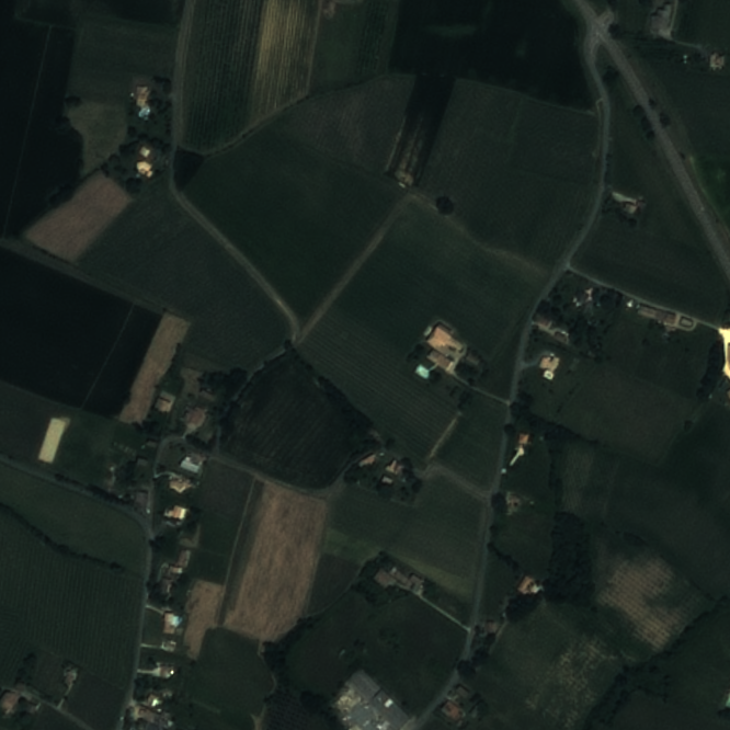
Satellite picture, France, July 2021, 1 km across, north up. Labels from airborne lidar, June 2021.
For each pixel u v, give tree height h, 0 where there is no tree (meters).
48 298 0
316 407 0
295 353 9
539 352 0
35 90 0
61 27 0
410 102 0
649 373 0
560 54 0
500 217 0
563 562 10
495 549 8
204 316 0
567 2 0
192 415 0
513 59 0
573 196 0
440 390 0
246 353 0
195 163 13
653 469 0
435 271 0
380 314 0
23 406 0
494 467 0
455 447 0
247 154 0
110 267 0
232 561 0
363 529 0
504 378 0
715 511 0
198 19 0
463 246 0
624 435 0
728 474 0
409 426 0
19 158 0
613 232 0
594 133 0
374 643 0
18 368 0
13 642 0
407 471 10
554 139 0
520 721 0
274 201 0
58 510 0
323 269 0
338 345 0
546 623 0
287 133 0
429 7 0
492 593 0
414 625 0
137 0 0
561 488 8
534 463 0
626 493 0
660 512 0
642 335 0
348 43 0
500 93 0
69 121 14
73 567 0
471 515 0
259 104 0
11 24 0
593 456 0
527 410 11
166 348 0
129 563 0
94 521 0
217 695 0
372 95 0
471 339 0
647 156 0
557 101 0
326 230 0
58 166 0
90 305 0
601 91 0
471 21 0
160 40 0
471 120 0
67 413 0
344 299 0
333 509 0
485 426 0
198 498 0
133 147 7
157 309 0
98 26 0
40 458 0
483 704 10
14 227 0
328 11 0
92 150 0
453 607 0
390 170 0
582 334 13
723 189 0
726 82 0
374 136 0
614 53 0
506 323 0
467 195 0
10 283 0
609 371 0
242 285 0
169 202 0
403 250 0
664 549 0
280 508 0
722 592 0
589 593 14
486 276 0
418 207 0
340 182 0
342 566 0
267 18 0
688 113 0
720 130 0
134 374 0
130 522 0
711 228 0
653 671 13
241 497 0
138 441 0
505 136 0
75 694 0
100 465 0
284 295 0
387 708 0
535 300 0
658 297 0
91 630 0
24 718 12
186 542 0
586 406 0
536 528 0
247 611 0
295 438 0
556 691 0
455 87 0
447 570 0
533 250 0
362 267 0
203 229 0
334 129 0
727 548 0
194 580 0
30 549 0
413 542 0
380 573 0
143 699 6
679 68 0
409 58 0
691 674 0
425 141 0
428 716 0
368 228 0
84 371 0
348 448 0
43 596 0
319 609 0
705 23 0
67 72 0
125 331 0
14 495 0
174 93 0
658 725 0
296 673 0
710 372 14
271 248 0
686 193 0
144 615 0
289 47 0
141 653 0
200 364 0
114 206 0
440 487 0
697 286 0
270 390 0
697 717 0
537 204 0
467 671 19
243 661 0
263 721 0
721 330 0
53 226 0
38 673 0
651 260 0
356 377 0
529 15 0
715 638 0
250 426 0
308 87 0
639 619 0
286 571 0
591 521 0
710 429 0
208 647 0
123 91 0
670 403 0
